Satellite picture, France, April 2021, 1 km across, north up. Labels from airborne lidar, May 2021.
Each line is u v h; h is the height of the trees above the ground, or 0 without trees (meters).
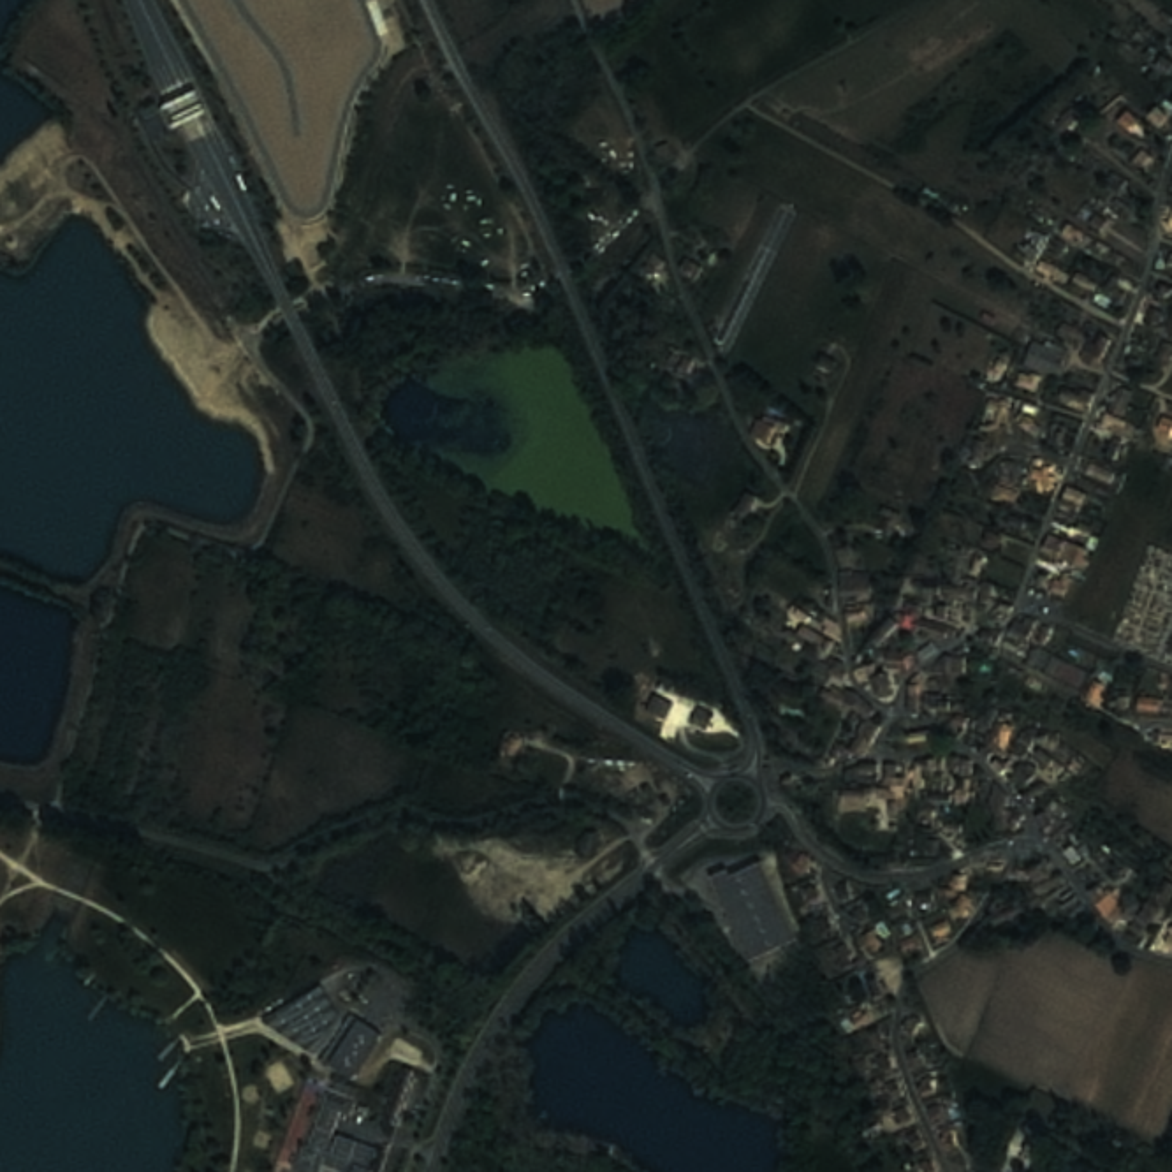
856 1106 6
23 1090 0
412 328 17
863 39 0
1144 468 0
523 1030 17
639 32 12
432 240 0
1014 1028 0
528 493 0
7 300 0
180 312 0
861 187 0
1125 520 0
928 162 0
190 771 0
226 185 0
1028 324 0
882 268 0
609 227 0
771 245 0
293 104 0
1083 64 10
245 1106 0
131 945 13
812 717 14
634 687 19
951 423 0
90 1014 0
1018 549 0
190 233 7
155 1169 0
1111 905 0
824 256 0
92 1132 0
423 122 0
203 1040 0
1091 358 0
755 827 0
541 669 0
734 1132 0
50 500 0
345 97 0
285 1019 0
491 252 0
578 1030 0
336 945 0
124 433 0
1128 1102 0
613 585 0
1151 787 0
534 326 14
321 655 11
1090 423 0
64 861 0
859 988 10
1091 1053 0
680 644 0
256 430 0
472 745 7
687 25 8
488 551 12
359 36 0
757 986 13
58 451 0
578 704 0
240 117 0
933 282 0
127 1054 0
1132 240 0
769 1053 18
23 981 0
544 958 0
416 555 0
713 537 0
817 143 0
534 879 0
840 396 0
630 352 23
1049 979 0
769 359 0
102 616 13
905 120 0
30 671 0
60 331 0
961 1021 0
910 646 9
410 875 0
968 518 12
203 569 11
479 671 13
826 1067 24
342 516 0
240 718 0
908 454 0
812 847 0
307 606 9
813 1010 14
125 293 0
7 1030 0
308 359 0
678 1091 0
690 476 0
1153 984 0
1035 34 0
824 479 0
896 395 0
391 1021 0
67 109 8
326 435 14
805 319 0
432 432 0
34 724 0
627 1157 10
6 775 0
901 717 0
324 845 14
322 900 12
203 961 0
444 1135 0
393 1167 0
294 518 0
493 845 0
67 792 6
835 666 0
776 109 0
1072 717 6
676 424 0
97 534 0
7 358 0
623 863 0
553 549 12
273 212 13
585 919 0
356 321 11
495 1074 18
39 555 0
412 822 16
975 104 0
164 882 0
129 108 6
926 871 0
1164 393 0
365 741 0
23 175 0
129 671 7
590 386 12
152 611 0
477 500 10
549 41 12
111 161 0
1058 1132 6
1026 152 6
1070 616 0
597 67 9
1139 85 0
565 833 0
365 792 0
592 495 0
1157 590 0
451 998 11
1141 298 0
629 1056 0
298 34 0
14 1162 0
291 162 0
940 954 0
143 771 8
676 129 0
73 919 0
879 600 6
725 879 0
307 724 0
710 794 0
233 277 8
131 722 6
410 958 15
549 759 0
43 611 0
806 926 7
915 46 0
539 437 0
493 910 0
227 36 0
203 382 0
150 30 0
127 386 0
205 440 0
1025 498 7
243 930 0
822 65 0
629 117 0
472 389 0
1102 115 14
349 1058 0
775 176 0
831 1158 0
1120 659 7
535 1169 10
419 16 7
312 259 0
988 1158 22
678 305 13
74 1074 0
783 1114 25
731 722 14
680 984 0
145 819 6
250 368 0
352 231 0
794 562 10
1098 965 0
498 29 0
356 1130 0
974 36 0
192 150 0
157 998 0
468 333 8
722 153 0
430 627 11
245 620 0
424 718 10
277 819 0
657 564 16
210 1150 9
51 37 0
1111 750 0
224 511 0
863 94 0
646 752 0
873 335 0
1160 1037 0
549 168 17
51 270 0
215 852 0
